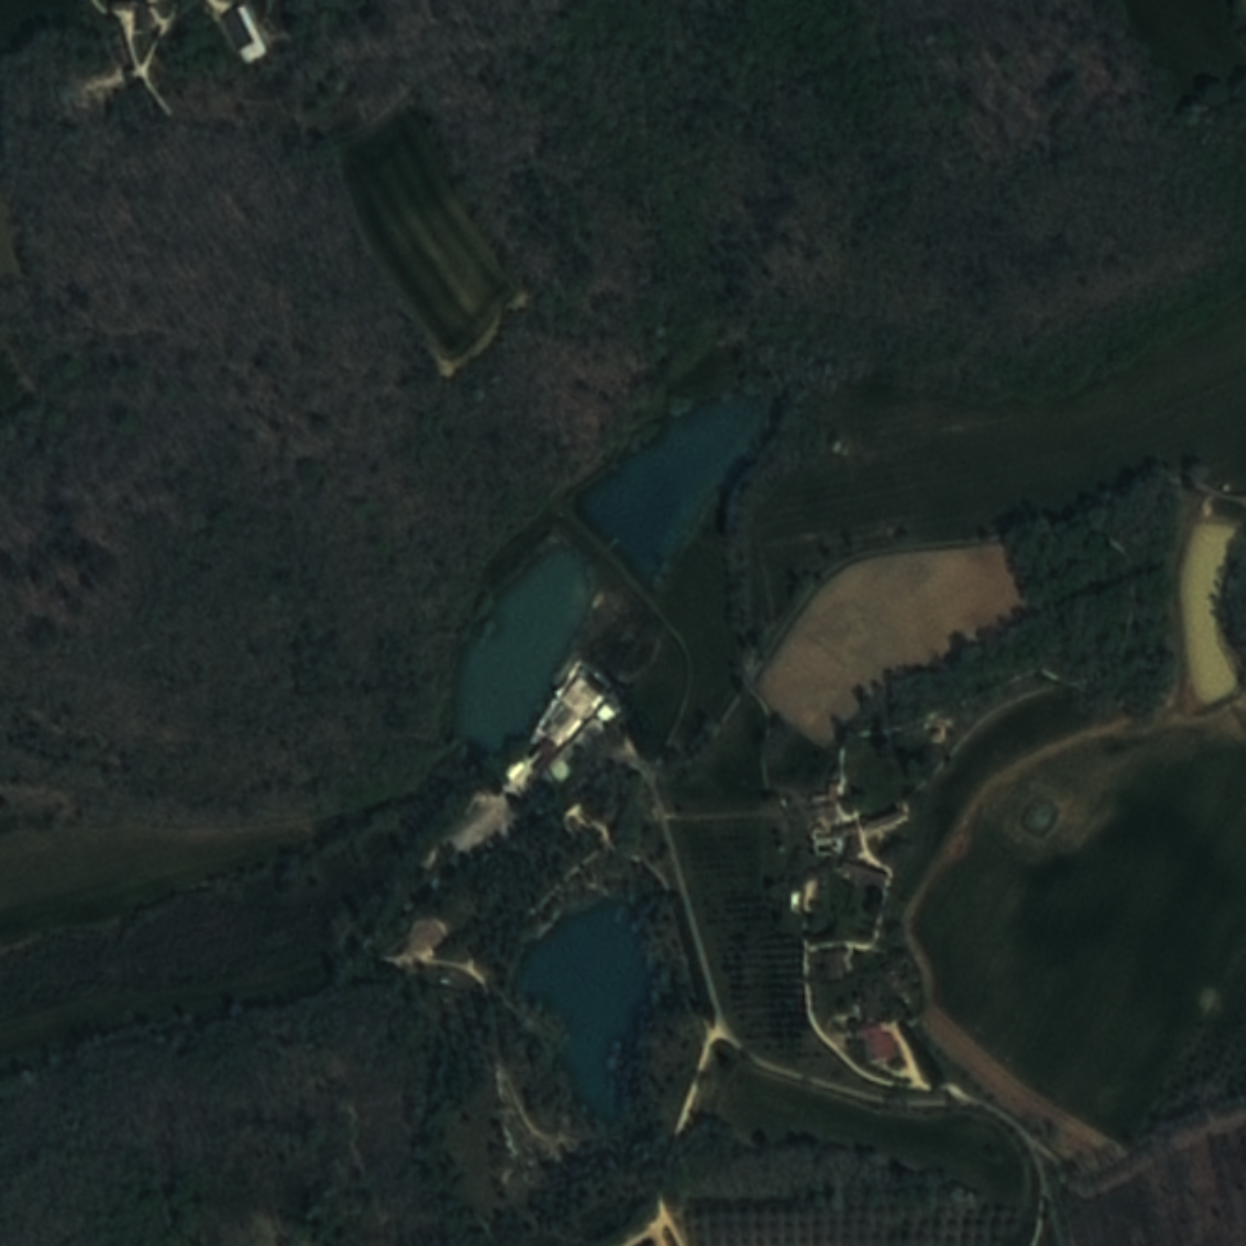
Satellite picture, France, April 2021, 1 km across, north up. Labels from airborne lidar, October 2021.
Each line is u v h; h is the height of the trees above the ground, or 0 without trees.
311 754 12
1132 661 6
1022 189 17
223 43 13
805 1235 11
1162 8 0
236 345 15
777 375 14
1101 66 13
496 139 18
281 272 20
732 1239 13
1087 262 15
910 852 15
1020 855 0
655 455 0
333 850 20
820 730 0
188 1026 14
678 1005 18
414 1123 21
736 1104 0
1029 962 0
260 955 6
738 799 0
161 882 0
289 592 22
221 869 0
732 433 0
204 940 6
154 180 20
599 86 20
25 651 17
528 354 18
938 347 17
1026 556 24
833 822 17
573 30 21
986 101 20
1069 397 12
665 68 23
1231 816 0
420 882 9
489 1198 0
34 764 17
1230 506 0
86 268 20
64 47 19
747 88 13
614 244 16
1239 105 17
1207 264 19
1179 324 20
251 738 13
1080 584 18
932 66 20
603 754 20
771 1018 6
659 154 17
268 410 15
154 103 17
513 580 0
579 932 0
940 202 17
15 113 19
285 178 23
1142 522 24
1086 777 0
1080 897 0
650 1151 17
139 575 17
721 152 18
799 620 0
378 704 23
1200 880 0
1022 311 18
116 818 18
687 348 23
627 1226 7
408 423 17
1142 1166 18
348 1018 19
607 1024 0
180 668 18
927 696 18
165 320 22
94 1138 15
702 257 17
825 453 12
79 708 19
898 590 0
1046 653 21
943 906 0
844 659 0
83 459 18
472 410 18
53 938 7
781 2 23
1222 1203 7
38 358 19
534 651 0
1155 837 0
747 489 14
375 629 23
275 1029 17
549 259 18
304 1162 14
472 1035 11
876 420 0
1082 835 0
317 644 22
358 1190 18
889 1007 6
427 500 22
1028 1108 0
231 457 18
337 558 15
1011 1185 0
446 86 19
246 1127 17
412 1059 20
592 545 0
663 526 0
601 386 14
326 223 21
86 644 18
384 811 9
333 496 20
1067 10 16
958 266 18
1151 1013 0
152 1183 17
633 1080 9
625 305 17
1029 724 0
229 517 19
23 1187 21
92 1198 20
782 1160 15
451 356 0
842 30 20
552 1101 10
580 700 0
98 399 21
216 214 22
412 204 0
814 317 17
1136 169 21
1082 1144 0
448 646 15
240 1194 10
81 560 13
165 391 20
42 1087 14
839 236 13
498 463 18
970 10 19
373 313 16
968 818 0
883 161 18
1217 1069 8
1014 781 0
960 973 0
